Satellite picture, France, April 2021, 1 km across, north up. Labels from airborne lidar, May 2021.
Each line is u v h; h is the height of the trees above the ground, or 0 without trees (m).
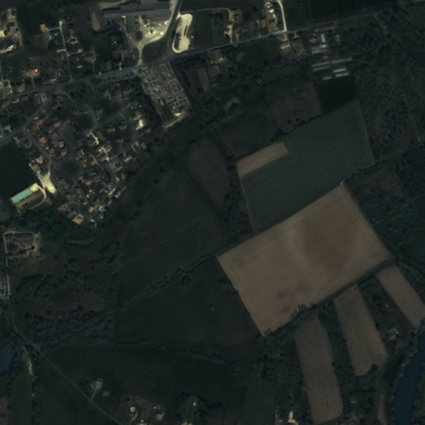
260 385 0
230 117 19
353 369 8
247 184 0
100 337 9
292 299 0
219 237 0
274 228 0
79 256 0
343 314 0
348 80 0
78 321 19
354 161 0
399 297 0
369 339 0
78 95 10
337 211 0
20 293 15
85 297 0
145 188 0
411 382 0
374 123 10
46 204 0
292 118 0
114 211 12
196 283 0
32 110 0
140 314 0
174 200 0
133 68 0
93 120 0
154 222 0
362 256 0
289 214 0
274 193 0
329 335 6
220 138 8
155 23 0
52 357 0
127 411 0
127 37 0
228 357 0
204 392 0
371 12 0
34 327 14
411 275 17
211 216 0
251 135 0
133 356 0
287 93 0
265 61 0
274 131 0
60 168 0
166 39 0
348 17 0
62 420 0
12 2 0
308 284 0
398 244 13
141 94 9
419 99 15
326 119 0
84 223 0
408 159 16
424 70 11
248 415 0
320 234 0
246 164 0
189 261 0
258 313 0
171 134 16
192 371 0
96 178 0
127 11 0
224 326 0
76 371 0
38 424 14
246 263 0
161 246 0
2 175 0
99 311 0
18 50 17
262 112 0
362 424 11
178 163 0
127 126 0
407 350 9
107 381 0
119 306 0
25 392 0
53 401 0
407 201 11
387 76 10
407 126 18
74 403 0
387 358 0
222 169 0
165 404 0
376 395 25
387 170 0
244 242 0
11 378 15
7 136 0
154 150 15
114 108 0
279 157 0
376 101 6
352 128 0
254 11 11
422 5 9
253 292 0
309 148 0
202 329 0
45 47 0
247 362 0
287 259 0
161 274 0
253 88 0
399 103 12
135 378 0
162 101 0
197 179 0
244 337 0
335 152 0
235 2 0
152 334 0
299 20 0
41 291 15
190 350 0
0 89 0
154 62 0
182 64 10
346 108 0
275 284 0
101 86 11
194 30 0
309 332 0
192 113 13
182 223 0
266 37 0
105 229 17
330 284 0
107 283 15
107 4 0
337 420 0
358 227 0
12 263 6
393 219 11
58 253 0
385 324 0
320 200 0
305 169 0
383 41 19
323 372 0
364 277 0
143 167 15
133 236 0
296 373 7
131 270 0
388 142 7
